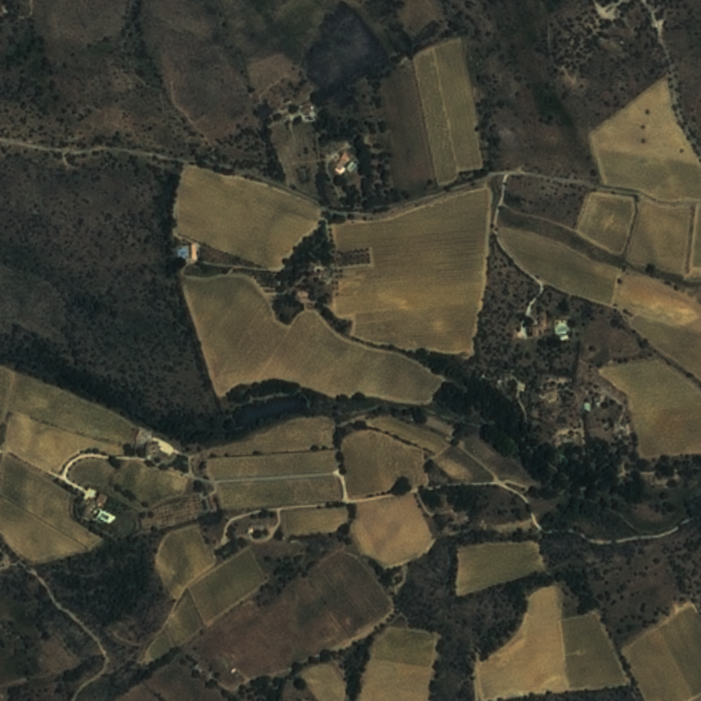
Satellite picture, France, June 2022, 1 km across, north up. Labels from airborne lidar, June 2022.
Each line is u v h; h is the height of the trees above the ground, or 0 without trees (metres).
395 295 0
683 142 0
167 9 0
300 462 0
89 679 0
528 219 0
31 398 0
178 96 0
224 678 0
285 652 0
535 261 0
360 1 0
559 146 0
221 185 0
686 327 0
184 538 0
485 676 0
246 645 0
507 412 10
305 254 7
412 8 0
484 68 0
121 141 9
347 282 0
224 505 0
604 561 7
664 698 0
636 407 0
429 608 6
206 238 0
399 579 8
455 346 0
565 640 0
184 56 0
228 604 0
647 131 0
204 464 10
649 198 0
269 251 0
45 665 0
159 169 9
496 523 0
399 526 0
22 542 0
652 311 0
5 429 0
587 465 13
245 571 0
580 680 0
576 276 0
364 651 8
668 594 0
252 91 11
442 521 10
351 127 6
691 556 6
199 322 0
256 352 0
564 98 9
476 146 0
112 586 8
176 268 10
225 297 0
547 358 9
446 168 0
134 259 0
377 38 9
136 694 0
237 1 0
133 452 10
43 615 8
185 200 0
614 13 0
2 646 7
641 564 0
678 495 0
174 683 0
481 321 6
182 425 14
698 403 0
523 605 9
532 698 7
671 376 0
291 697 0
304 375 0
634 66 0
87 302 10
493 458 0
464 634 0
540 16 0
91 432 0
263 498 0
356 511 8
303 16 0
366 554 0
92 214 0
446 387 11
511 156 0
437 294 0
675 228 0
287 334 0
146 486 0
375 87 10
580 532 9
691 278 0
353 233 0
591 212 0
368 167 15
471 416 12
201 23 0
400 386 0
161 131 0
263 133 9
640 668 0
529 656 0
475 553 0
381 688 0
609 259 0
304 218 0
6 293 0
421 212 0
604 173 0
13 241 8
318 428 0
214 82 0
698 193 0
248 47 0
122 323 0
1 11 0
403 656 0
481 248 0
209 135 0
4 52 0
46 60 10
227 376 0
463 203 0
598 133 0
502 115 0
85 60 0
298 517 0
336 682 0
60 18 0
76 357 11
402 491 11
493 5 8
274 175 9
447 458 0
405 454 0
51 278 10
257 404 7
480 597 7
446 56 0
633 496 18
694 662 0
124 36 9
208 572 0
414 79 0
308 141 0
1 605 0
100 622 9
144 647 0
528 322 11
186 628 0
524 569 0
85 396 9
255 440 0
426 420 8
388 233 0
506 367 10
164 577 0
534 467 16
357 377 0
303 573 7
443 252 0
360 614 0
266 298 0
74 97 0
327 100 8
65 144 7
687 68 0
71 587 10
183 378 0
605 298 0
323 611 0
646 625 10
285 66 0
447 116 0
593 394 7
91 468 0
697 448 0
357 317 0
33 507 0
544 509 0
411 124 0
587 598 8
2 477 0
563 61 10
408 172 0
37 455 0
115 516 10
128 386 9
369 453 0
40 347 10
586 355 0
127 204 0
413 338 0
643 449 0
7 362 8
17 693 9
